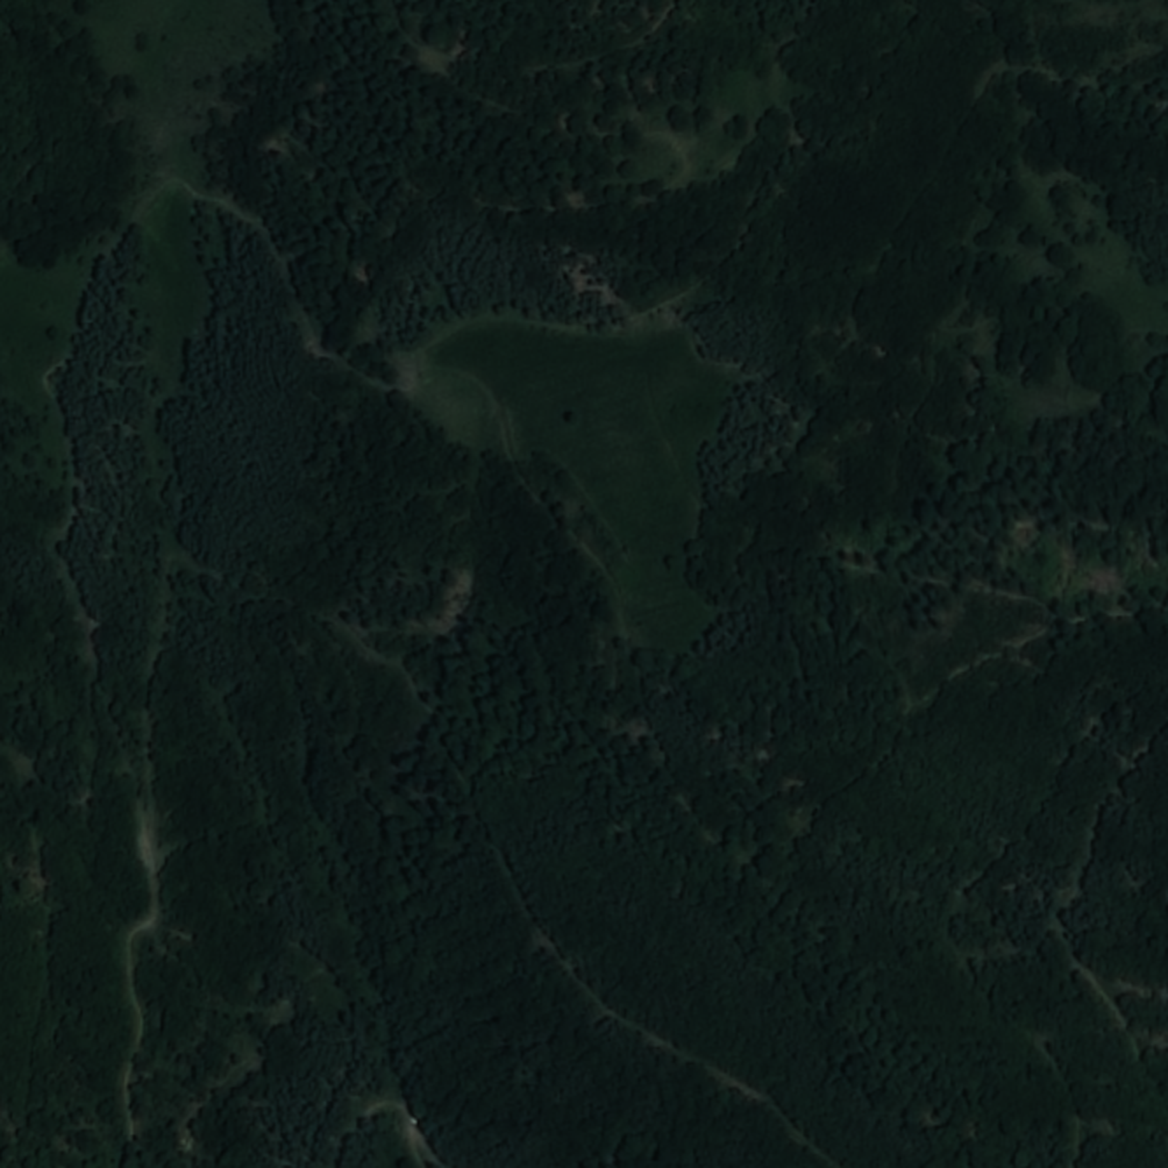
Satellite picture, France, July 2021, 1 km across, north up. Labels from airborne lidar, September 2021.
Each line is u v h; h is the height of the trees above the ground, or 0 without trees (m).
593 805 19
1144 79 12
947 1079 25
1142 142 14
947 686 8
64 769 12
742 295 16
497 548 10
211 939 12
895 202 19
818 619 14
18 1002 21
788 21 25
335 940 21
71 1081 10
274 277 21
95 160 21
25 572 24
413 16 20
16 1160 23
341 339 21
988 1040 17
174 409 15
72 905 15
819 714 23
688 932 17
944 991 18
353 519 8
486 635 27
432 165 12
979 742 16
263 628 21
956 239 17
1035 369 24
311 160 9
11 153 21
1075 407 0
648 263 16
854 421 21
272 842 14
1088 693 16
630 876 21
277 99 20
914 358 15
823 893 16
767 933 22
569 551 10
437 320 22
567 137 13
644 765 24
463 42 7
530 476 8
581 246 17
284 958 21
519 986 17
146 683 15
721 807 13
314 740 22
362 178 29
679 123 15
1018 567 7
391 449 14
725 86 11
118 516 25
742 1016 19
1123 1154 16
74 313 0
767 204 22
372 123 25
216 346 17
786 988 22
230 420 18
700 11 16
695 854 24
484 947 21
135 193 6
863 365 8
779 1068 20
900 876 15
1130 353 16
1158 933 34
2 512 23
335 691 9
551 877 19
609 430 0
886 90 18
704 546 13
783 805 18
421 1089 19
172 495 19
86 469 26
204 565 13
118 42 0
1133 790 24
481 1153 18
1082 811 19
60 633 17
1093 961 23
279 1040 23
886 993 16
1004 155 22
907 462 9
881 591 7
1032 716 21
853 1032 18
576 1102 16
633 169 16
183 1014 12
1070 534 26
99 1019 16
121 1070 17
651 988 16
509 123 15
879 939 22
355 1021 21
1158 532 15
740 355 26
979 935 18
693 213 18
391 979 17
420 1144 0
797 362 15
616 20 15
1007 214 20
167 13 0
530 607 16
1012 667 10
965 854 22
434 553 8
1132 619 9
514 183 27
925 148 19
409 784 24
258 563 11
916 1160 17
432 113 26
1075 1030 18
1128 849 18
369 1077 24
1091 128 28
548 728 20
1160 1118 16
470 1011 20
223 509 20
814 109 16
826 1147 16
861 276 24
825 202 17
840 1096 17
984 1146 10
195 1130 15
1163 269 14
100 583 23
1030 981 22
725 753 19
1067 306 29
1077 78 10
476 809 13
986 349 0
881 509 10
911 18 12
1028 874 21
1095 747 22
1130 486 21
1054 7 7
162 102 0
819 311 22
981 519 24
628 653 12
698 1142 22
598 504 0
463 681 24
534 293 25
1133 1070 17
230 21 0
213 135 10
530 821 18
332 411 6
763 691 22
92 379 19
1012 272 26
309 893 14
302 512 24
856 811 21
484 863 18
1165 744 18
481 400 0
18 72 19
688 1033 17
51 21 12
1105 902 14
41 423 10
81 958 14
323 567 13
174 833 8
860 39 17
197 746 10
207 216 16
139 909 12
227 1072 21
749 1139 17
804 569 25
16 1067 16
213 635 18
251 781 7
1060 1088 20
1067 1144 16
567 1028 17
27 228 21
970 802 14
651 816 23
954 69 16
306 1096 25
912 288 21
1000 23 16
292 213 18
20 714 7
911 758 12
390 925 19
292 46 12
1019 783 16
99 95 12
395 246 13
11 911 32
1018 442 15
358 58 26
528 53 17
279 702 22
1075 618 27
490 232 17
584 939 20
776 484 22
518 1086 16
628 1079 22
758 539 9
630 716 13
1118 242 0
